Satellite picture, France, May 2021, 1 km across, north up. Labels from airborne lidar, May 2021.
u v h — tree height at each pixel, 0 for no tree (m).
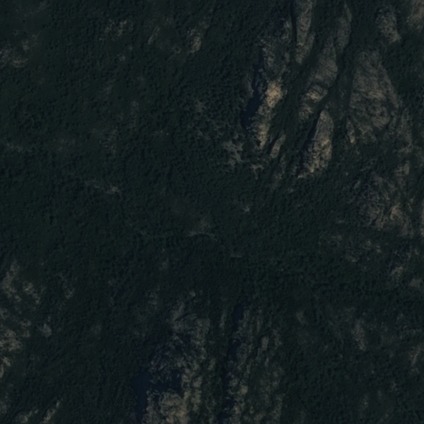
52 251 13
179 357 6
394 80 23
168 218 13
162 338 10
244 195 18
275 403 9
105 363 24
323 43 6
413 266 12
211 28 13
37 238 6
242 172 17
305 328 7
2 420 6
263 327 14
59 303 11
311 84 6
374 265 15
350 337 6
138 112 8
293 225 7
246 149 7
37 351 6
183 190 17
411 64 14
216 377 18
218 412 8
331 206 14
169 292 7
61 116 17
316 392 24
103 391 19
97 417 20
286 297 7
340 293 23
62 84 14
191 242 20
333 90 16
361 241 11
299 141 18
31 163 30
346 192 12
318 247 8
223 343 11
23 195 7
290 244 8
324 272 8
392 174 12
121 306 21
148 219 13
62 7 10
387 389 9
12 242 18
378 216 11
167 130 7
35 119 19
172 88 12
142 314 8
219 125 17
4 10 6
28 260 17
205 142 20
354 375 7
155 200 14
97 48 13
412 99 20
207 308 10
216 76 20
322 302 8
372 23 18
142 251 19
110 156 19
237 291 12
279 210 15
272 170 8
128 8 16
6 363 7
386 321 7
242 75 9
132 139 14
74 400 10
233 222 24
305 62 6
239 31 13
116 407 7
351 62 20
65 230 6
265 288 14
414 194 10
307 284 28
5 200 10
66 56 6
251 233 19
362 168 13
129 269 19
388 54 17
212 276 8
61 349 17
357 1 15
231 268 12
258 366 6
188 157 25
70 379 6
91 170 9
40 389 14
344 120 6
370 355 27
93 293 14
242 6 16
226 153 17
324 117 0
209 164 19
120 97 13
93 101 19
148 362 15
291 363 19
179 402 0
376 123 0
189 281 18
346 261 13
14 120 8
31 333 8
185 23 11
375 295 26
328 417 15
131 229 9
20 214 8
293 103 20
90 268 7
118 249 8
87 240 6
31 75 15
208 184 17
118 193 8
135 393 11
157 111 27
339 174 11
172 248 21
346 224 8
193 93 22
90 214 7
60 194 27
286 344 8
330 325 23
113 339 7
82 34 12
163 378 5
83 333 19
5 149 13
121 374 17
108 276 6
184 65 6
